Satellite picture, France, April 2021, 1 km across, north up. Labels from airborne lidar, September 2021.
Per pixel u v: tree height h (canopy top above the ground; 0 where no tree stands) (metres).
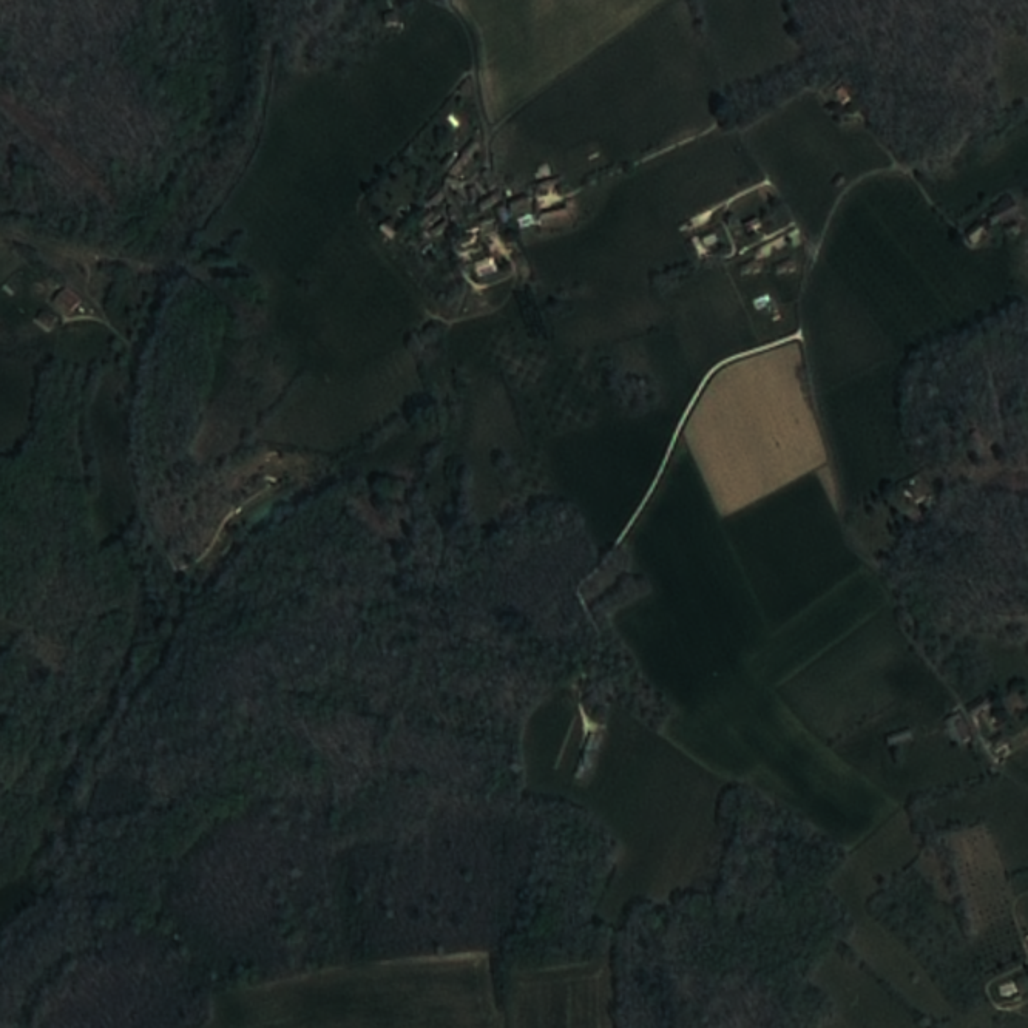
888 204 7
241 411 0
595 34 0
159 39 15
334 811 17
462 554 19
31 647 12
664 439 0
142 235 18
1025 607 20
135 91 21
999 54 9
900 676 0
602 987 0
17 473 20
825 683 0
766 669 0
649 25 0
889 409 5
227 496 20
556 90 0
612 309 0
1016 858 0
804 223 0
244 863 9
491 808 17
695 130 0
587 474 0
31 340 0
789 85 17
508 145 0
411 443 0
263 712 23
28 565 15
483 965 0
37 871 19
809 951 21
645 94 0
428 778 16
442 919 9
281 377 0
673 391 0
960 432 22
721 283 0
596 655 16
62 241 19
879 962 0
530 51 0
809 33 19
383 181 11
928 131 16
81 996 12
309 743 20
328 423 0
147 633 8
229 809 20
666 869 0
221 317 19
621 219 0
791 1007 20
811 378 11
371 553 16
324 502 17
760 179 0
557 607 18
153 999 11
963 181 0
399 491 20
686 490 0
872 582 0
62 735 17
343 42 12
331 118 0
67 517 22
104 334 0
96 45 19
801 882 17
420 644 16
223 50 11
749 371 0
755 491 0
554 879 18
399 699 8
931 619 18
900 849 0
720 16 0
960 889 15
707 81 0
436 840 10
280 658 16
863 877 0
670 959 21
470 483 13
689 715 0
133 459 17
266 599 18
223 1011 0
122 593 15
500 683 16
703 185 0
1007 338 20
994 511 22
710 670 0
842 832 0
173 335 19
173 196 19
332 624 17
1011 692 7
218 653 15
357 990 0
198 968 9
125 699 16
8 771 14
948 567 26
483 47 0
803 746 0
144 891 21
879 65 21
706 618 0
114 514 0
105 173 14
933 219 5
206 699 18
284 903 20
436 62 0
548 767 0
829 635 0
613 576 13
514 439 0
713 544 0
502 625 17
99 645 16
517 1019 0
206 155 14
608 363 8
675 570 0
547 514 19
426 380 6
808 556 0
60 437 18
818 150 0
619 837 0
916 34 23
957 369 18
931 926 7
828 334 0
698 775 0
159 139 19
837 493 0
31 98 24
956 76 23
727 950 19
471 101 7
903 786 0
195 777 18
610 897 0
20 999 13
